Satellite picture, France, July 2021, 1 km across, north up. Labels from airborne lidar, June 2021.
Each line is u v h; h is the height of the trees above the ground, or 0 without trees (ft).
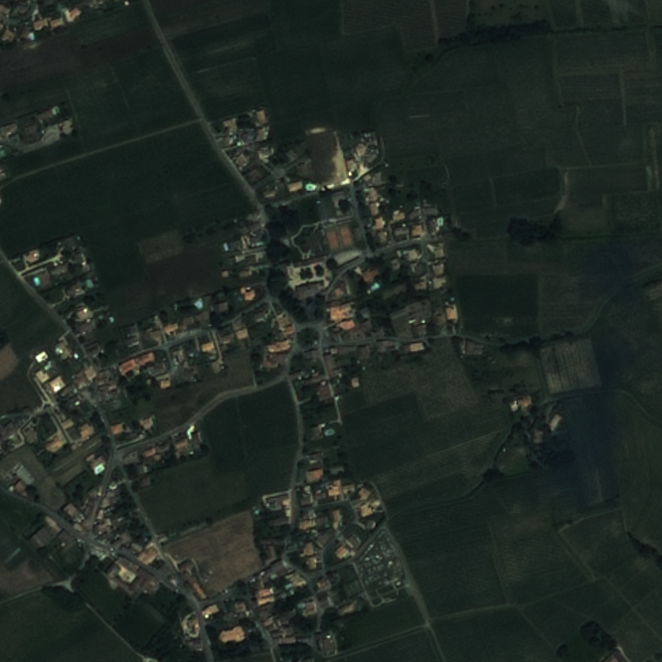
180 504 0
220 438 0
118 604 0
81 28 0
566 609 0
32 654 0
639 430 0
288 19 0
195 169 0
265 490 0
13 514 0
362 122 0
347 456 24
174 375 0
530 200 0
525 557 0
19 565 0
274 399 0
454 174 0
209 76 0
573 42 0
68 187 0
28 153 0
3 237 0
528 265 0
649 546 27
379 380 0
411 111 0
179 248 0
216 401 0
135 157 0
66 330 0
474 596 0
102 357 38
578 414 0
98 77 0
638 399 0
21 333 0
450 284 0
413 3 0
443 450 0
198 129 0
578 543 0
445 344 0
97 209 0
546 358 0
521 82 0
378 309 25
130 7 0
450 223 55
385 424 0
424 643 0
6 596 0
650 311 0
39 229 0
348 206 57
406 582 0
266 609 26
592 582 0
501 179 0
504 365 0
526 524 0
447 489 0
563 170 0
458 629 0
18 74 0
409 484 0
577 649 0
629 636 0
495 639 0
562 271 0
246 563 0
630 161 0
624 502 0
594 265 0
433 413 0
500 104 0
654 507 0
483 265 0
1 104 0
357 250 0
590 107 0
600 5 0
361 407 0
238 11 0
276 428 0
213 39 0
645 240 0
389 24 0
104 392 0
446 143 0
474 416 0
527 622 0
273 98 0
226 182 0
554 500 0
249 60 0
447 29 0
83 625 0
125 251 0
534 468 29
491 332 0
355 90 0
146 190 0
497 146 0
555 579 0
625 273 0
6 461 0
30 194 0
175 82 0
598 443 0
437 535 0
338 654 0
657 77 0
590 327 0
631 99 0
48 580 0
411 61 0
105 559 0
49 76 0
